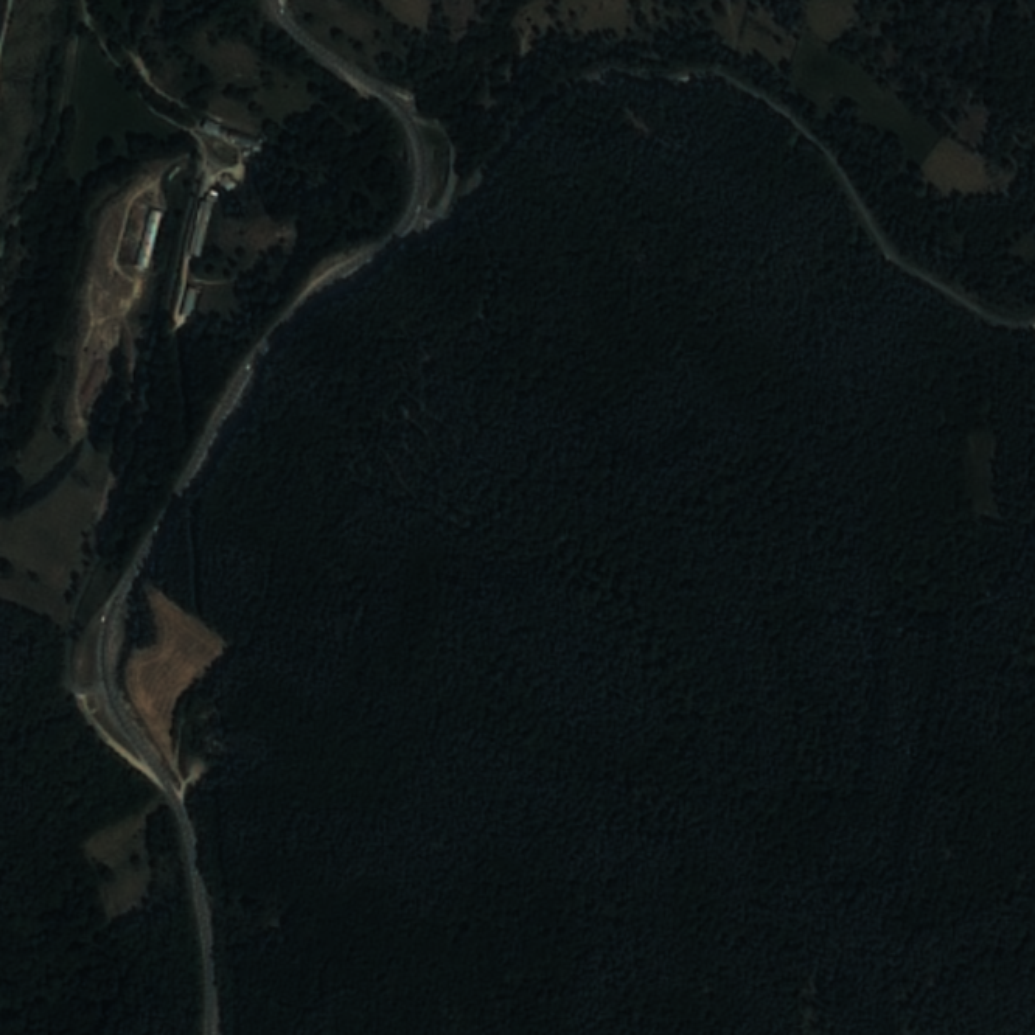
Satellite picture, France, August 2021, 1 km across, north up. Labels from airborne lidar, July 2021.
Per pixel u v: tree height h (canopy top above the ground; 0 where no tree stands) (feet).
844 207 49
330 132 81
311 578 49
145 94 38
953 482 59
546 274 51
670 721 53
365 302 46
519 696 39
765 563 51
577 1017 50
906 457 55
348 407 44
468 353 43
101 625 0
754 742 54
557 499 63
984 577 21
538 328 69
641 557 47
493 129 72
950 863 23
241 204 54
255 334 34
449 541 58
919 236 45
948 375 54
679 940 45
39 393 45
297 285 43
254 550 52
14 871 68
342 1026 44
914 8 34
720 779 43
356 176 50
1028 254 0
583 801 50
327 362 61
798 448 55
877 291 45
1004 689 61
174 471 63
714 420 66
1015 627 54
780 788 45
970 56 36
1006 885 30
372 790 51
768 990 46
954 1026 34
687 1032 34
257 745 28
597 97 40
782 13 42
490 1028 23
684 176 38
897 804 56
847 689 56
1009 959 46
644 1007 31
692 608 51
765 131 47
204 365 55
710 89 49
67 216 34
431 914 41
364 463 51
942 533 54
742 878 47
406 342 45
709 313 31
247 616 50
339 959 41
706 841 47
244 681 50
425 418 62
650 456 68
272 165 59
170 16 37
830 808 55
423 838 52
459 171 36
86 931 36
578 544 58
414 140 0
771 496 46
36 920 63
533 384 41
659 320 39
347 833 54
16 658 56
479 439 57
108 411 64
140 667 0
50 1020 66
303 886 47
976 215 39
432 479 28
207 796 32
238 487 48
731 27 0
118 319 0
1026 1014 59
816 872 22
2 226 22
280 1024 40
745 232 52
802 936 61
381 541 70
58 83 40
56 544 0
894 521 58
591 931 37
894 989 50
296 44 39
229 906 35
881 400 50
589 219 40
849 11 0
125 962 56
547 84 84
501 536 59
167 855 28
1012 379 45
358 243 47
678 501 48
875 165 71
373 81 0
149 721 0
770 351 47
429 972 33
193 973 45
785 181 45
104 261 0
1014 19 40
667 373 58
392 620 59
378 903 43
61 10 0
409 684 54
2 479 41
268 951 40
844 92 0
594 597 59
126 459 54
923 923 24
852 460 65
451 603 51
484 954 34
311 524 48
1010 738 42
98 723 0
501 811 56
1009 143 71
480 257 75
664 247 38
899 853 44
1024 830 25
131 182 0
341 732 40
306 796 50
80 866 52
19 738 47
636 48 38
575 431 36
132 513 47
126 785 52
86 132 0
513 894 52
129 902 0
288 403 37
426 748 51
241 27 37
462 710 40
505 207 50
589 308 50
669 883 49
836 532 47
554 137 50
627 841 45
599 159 51
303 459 55
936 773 49
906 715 44
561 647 53
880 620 66
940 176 0
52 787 31
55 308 82
